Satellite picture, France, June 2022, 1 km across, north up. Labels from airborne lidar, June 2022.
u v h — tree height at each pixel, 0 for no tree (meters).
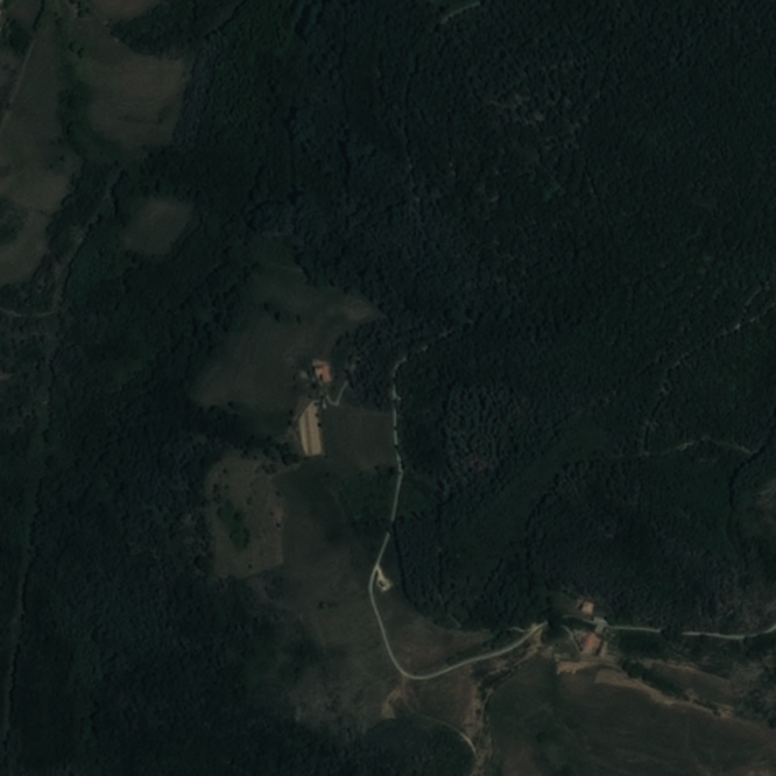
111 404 9
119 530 18
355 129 14
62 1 0
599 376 11
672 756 0
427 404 12
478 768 0
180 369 14
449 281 30
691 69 14
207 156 10
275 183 8
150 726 14
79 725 20
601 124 11
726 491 11
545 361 12
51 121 0
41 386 10
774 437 24
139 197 14
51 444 19
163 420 30
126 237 0
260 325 0
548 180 14
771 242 14
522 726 0
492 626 9
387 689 0
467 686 0
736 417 16
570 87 15
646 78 7
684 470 10
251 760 18
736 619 8
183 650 12
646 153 9
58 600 24
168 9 17
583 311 13
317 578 0
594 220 11
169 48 12
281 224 33
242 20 25
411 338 9
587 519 13
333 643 0
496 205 9
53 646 25
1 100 0
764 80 11
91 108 0
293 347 0
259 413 0
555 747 0
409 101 17
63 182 0
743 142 9
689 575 17
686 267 9
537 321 22
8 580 22
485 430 16
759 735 0
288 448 12
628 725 0
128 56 0
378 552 0
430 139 14
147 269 15
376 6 19
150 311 23
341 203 7
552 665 0
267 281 0
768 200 6
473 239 9
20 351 12
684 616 15
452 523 20
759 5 11
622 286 11
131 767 12
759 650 12
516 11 8
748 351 9
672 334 9
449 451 14
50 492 17
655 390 10
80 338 12
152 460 9
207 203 13
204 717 12
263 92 14
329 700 0
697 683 0
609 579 14
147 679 12
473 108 11
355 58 14
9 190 0
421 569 18
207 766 16
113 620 18
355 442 0
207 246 11
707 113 12
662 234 14
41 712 18
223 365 0
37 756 24
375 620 0
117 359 18
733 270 8
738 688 0
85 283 16
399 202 8
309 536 0
